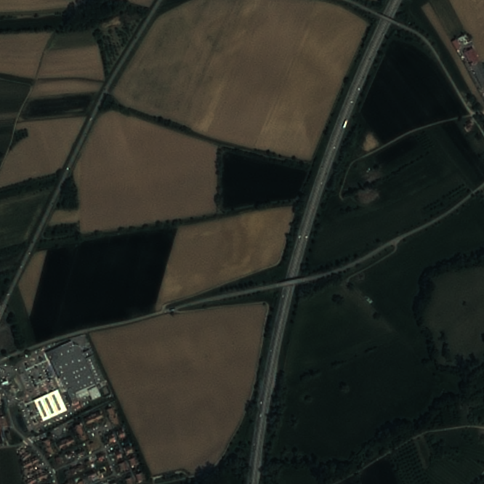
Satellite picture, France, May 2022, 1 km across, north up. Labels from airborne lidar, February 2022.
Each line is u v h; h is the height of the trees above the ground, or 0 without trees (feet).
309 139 0
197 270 0
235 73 0
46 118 0
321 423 0
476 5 0
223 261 0
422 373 0
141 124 0
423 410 0
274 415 56
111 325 0
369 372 0
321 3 0
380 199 0
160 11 0
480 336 0
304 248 0
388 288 0
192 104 0
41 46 0
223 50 0
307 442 0
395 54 0
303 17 0
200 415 0
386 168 0
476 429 0
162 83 0
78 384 0
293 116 0
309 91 0
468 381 36
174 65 0
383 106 0
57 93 0
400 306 0
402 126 0
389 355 0
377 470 0
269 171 0
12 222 0
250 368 0
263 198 0
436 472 0
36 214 0
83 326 0
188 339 0
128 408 0
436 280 0
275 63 0
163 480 41
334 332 0
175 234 0
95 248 0
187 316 0
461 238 0
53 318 0
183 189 0
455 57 0
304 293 79
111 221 0
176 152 0
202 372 0
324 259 0
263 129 0
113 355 0
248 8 0
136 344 0
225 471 63
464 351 0
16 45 0
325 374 0
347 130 0
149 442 0
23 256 0
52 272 0
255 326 0
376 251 0
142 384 0
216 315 0
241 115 0
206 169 0
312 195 0
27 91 0
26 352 30
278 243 0
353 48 0
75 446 0
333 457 0
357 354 0
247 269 0
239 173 0
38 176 0
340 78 0
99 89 0
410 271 0
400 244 0
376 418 0
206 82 0
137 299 0
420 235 0
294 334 0
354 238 0
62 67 0
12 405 0
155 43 0
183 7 0
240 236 0
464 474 0
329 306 0
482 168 0
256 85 0
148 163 0
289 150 0
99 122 0
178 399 0
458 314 0
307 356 0
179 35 0
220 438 0
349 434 0
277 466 47
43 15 0
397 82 0
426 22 0
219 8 0
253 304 0
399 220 0
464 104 0
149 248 0
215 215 21
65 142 0
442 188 0
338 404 0
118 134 0
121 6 50
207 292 0
